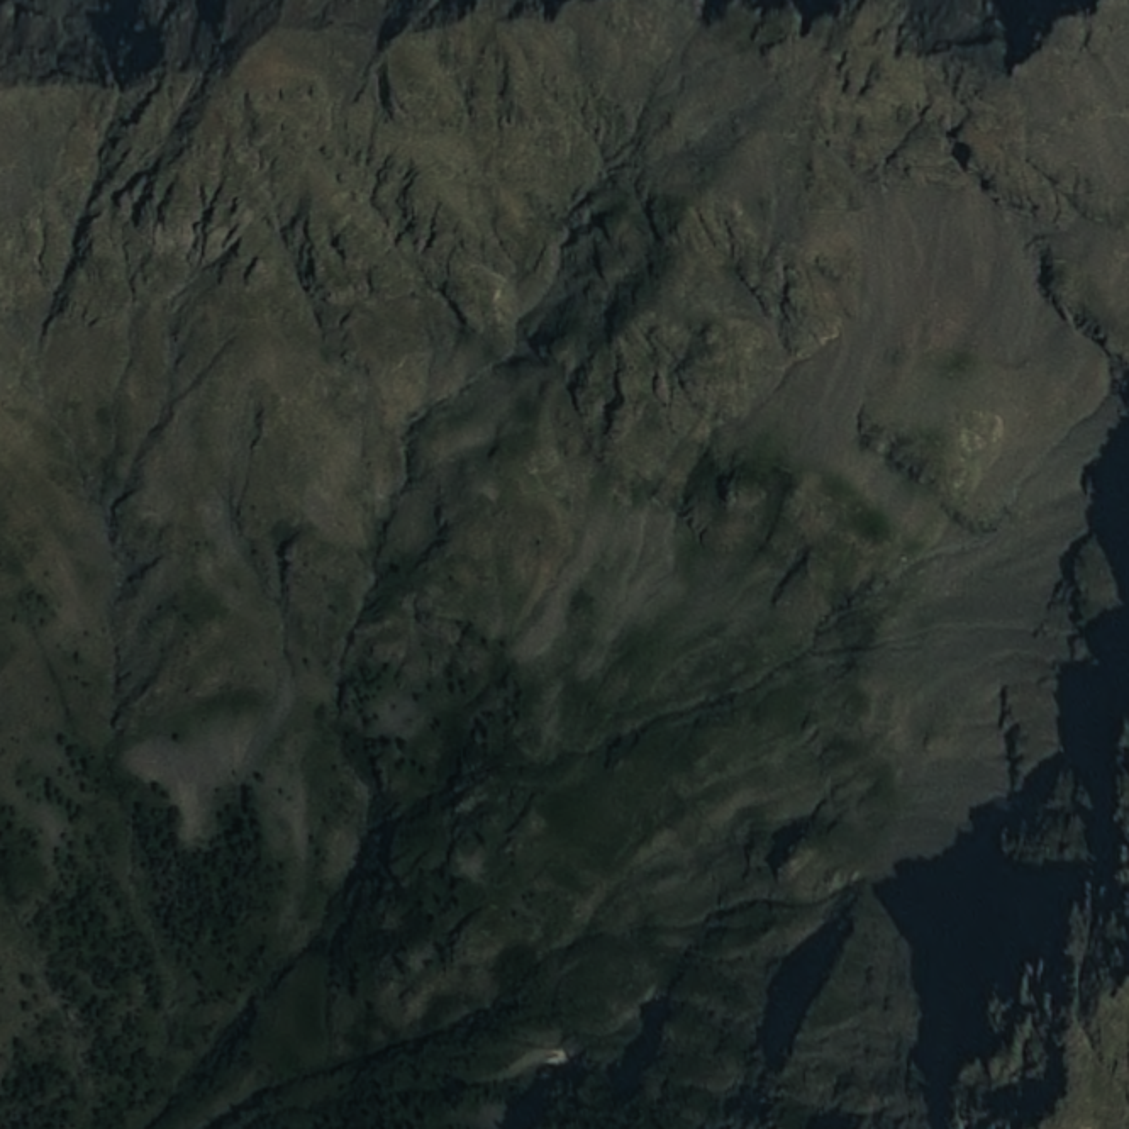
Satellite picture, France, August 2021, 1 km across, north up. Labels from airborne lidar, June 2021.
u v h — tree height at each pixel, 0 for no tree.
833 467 0
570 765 0
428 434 0
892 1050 0
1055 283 0
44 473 0
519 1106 0
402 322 0
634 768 0
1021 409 0
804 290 0
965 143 0
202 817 0
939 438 0
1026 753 0
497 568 0
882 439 0
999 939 0
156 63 0
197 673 0
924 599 0
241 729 0
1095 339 0
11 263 0
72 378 0
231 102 0
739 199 0
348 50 0
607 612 0
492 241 0
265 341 0
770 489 0
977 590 0
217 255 0
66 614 0
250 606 0
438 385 0
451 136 0
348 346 0
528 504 0
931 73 0
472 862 0
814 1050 0
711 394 0
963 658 0
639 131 0
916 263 0
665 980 0
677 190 0
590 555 0
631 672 0
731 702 0
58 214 0
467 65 0
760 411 0
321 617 0
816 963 0
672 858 0
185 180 0
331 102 0
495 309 0
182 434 0
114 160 0
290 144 0
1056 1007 0
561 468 0
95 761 13
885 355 0
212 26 0
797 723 0
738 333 0
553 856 0
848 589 0
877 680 0
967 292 0
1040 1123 0
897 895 0
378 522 0
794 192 0
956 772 0
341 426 0
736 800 0
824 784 0
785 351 0
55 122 0
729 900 0
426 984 0
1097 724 0
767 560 0
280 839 0
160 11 0
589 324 0
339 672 0
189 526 0
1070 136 0
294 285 0
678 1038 0
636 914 0
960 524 0
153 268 0
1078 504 0
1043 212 0
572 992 0
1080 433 0
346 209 0
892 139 0
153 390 0
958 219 0
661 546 0
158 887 10
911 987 0
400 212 0
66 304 0
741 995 0
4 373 0
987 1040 0
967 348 0
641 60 0
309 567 0
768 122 0
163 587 0
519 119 0
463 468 0
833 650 0
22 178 0
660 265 0
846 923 0
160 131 0
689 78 0
